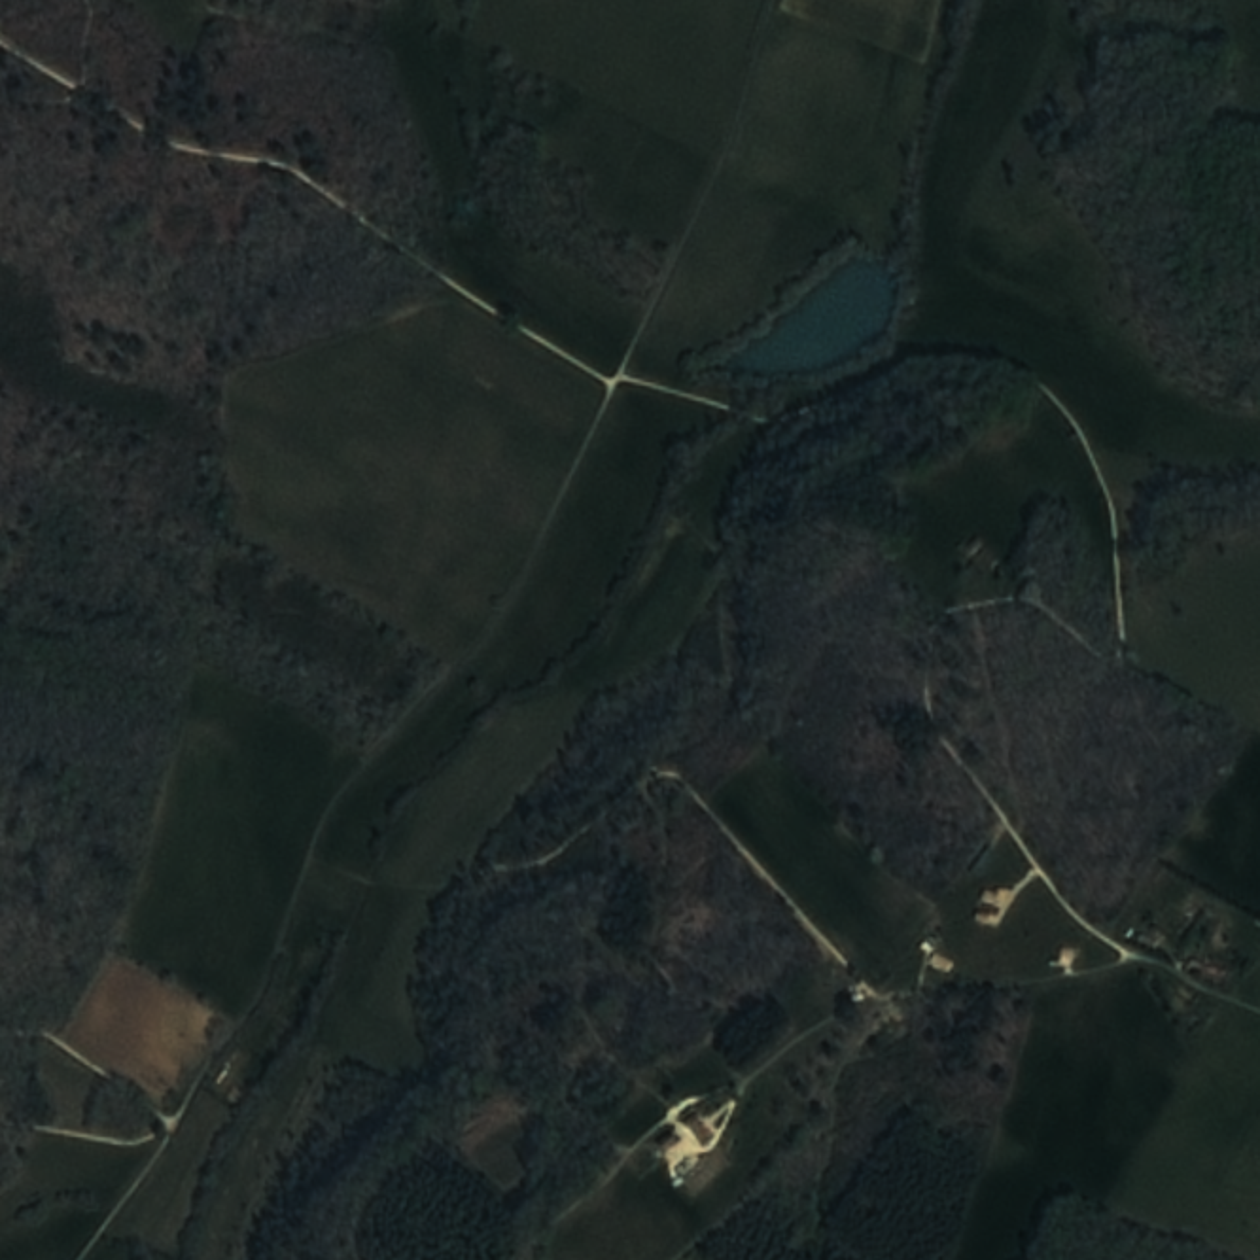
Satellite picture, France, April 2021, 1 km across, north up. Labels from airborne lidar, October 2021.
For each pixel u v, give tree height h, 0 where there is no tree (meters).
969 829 15
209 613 15
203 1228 8
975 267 0
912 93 0
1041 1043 0
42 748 18
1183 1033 9
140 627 13
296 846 0
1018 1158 0
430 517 0
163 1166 0
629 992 10
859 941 0
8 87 7
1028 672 20
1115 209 20
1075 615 22
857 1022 19
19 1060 21
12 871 9
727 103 0
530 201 14
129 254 11
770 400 17
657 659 0
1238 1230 0
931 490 0
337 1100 8
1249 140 23
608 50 0
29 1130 18
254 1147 0
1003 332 0
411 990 7
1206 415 0
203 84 18
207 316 22
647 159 0
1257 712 0
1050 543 19
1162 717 22
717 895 18
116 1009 0
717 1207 0
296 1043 18
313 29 16
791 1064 0
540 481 0
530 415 0
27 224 10
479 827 0
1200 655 0
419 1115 21
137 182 7
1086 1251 21
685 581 0
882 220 0
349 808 0
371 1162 18
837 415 22
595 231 17
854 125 0
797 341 0
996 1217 0
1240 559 0
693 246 0
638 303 14
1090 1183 0
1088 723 16
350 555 0
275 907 0
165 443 7
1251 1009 0
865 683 10
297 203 12
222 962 0
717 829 14
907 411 21
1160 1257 20
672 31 0
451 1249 20
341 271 19
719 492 0
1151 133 24
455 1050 20
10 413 12
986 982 0
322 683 13
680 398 0
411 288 18
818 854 0
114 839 15
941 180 0
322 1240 18
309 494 0
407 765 0
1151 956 6
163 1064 0
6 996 24
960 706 18
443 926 15
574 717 0
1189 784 16
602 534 0
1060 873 18
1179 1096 0
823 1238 16
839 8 0
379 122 6
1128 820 20
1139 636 0
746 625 18
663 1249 0
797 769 10
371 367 0
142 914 0
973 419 24
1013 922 0
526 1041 7
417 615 0
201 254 14
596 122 0
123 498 7
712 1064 0
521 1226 25
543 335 0
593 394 0
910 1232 20
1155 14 14
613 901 16
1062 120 14
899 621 21
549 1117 23
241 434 0
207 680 0
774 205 0
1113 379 0
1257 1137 0
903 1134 18
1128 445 0
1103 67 19
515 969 12
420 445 0
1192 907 8
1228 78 22
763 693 14
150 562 14
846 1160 9
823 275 7
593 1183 22
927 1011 14
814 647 17
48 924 22
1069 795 18
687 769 9
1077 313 0
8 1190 13
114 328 14
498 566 0
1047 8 0
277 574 23
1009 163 0
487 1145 0
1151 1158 0
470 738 7
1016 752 14
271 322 18
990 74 0
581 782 12
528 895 14
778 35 0
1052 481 0
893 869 13
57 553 9
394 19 0
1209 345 12
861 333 0
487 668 0
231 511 11
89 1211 11
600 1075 18
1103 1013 0
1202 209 23
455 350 0
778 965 18
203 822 0
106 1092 18
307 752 0
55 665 26
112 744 17
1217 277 25
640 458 0
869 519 26
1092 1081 0
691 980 13
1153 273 20
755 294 0
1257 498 19
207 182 9
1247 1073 0
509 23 0
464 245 0
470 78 0
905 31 0
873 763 6
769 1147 0
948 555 0
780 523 13
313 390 0
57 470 23
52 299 7
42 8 6
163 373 7
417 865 0
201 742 0
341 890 0
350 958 0
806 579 15
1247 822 0
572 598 0
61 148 9
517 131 14
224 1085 0
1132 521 0
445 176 0
